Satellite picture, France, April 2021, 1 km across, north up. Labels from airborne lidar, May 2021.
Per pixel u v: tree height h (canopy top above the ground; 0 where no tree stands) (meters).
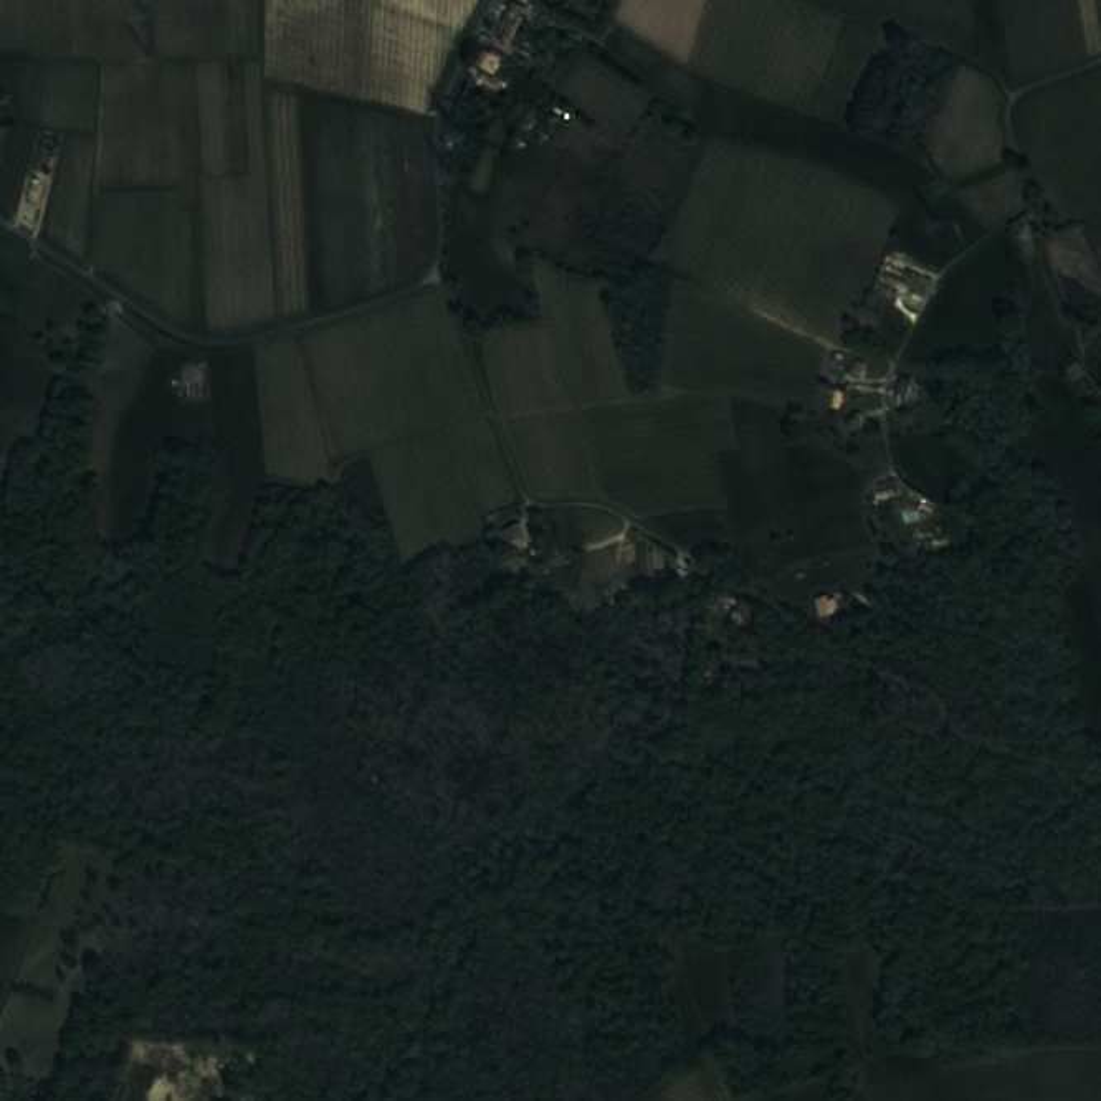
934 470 0
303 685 10
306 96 0
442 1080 17
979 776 24
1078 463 0
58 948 0
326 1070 14
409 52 0
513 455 0
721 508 0
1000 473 18
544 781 21
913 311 0
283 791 13
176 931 11
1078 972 6
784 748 17
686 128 13
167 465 13
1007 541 17
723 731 20
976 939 18
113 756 14
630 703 14
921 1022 15
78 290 0
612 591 0
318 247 0
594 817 25
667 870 23
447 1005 24
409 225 0
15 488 22
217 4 0
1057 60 0
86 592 14
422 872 13
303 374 0
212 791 17
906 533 0
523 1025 11
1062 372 7
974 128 0
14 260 0
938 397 19
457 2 0
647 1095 14
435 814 13
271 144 0
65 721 23
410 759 11
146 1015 17
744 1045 22
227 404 0
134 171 0
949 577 17
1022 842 25
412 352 0
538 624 13
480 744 13
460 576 7
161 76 0
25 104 0
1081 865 18
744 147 0
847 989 23
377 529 15
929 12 0
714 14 0
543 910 16
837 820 24
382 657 12
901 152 0
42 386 0
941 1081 0
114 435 0
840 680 15
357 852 10
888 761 17
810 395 0
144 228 0
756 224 0
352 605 12
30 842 22
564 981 17
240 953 13
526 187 0
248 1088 15
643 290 18
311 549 17
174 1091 0
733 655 6
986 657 20
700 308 0
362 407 0
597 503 0
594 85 0
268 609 20
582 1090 18
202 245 0
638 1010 18
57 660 19
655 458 0
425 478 0
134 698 27
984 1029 22
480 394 0
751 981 8
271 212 0
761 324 0
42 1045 0
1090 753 20
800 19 0
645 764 18
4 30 0
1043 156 0
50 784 21
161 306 0
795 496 0
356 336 0
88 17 0
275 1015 16
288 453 0
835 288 0
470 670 19
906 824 22
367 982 10
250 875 14
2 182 0
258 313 0
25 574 18
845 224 0
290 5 0
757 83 0
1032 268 0
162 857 19
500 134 0
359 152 0
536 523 12
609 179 0
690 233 0
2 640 21
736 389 0
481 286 0
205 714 24
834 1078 16
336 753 14
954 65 6
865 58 0
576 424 0
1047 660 17
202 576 14
